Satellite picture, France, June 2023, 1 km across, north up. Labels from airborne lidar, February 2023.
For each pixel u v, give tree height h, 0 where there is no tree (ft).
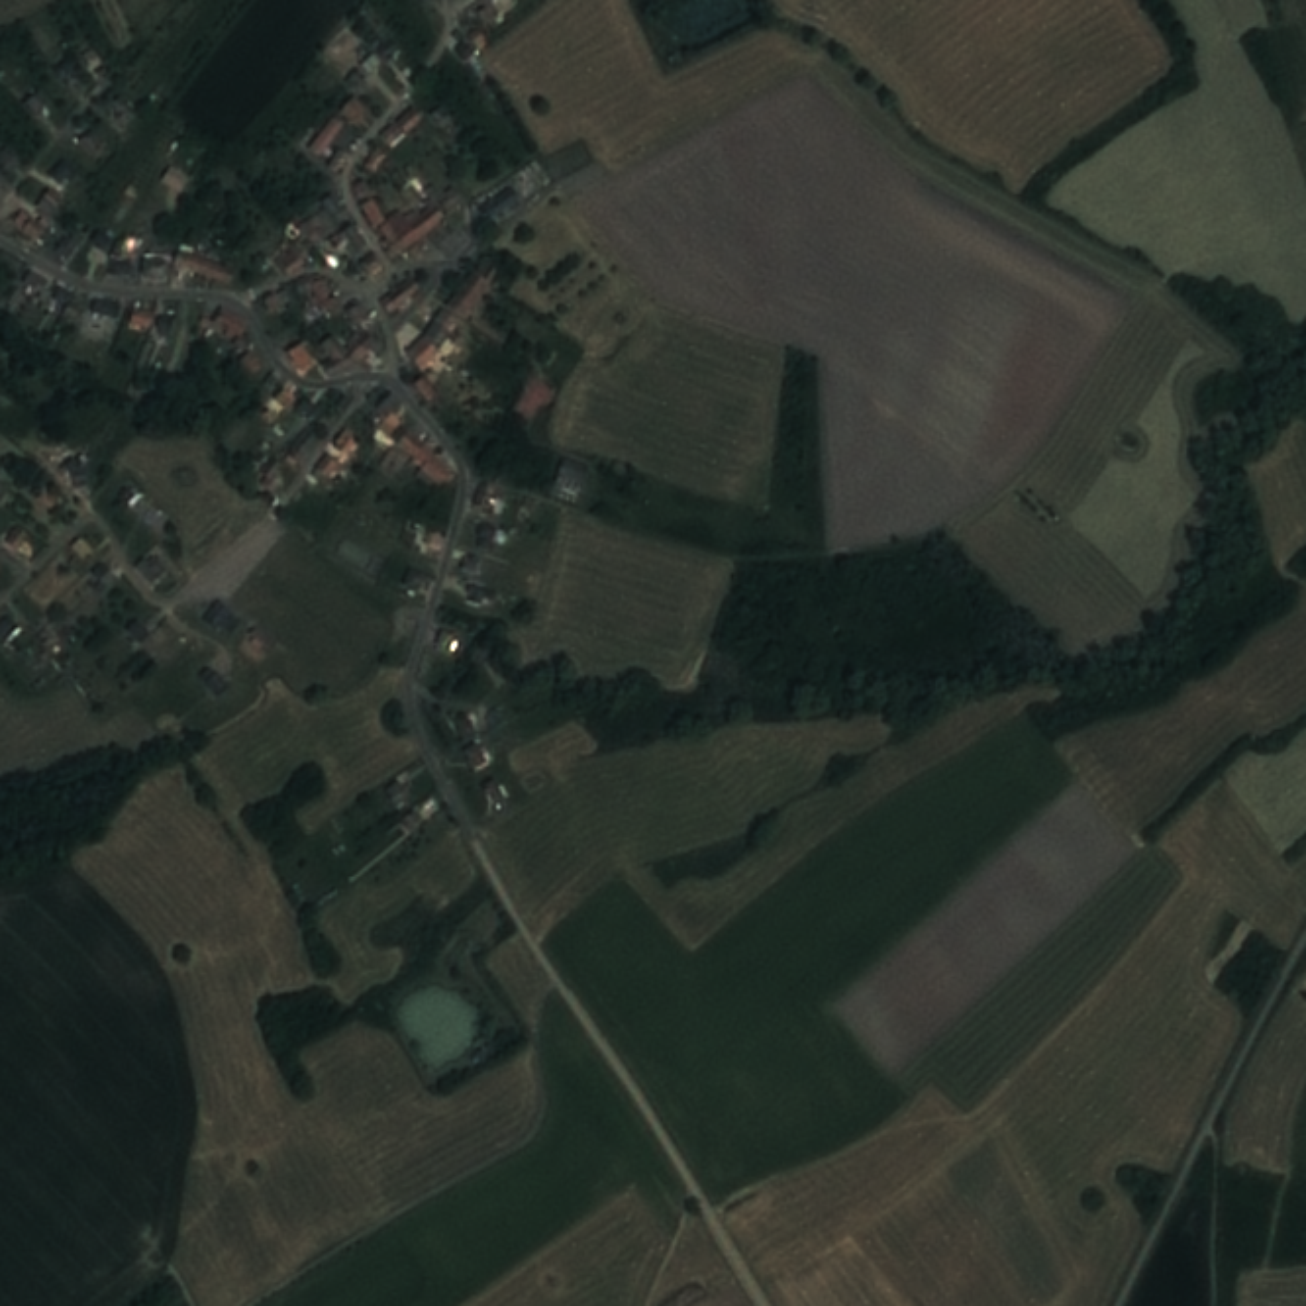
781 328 0
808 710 51
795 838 0
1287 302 0
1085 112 0
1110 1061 0
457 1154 0
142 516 0
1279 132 0
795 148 0
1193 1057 0
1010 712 0
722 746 0
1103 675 56
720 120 0
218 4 0
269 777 0
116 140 0
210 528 0
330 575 0
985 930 0
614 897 0
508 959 0
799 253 0
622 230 0
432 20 0
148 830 0
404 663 0
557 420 0
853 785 0
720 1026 0
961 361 0
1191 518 0
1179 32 45
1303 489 0
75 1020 0
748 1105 0
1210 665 43
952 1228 0
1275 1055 0
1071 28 0
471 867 0
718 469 0
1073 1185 0
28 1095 0
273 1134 0
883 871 0
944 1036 0
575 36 0
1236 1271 0
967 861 0
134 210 0
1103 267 0
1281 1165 0
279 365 0
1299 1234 0
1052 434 0
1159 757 0
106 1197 0
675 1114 0
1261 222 0
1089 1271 0
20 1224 0
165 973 0
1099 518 0
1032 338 0
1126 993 0
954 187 0
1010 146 0
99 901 0
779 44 0
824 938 0
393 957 0
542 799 0
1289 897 0
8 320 57
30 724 0
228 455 52
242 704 0
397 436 0
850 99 0
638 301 0
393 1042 0
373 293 0
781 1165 0
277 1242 0
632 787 0
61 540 0
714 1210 0
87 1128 0
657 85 0
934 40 0
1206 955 0
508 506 0
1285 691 0
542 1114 0
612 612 0
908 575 21
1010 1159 0
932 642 0
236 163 0
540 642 0
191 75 21
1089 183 0
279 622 0
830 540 0
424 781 0
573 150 0
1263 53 25
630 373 0
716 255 0
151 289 0
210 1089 0
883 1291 0
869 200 0
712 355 0
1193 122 0
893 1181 0
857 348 0
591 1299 0
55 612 32
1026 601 0
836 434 0
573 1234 0
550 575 0
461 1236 0
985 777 0
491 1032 35
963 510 0
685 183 0
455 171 40
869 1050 0
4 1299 0
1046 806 0
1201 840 0
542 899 0
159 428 60
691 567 0
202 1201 0
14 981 0
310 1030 24
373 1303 0
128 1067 0
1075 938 0
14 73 0
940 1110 0
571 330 0
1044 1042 0
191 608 0
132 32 21
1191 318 0
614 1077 0
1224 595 58
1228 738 0
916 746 0
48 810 77
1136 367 0
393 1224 0
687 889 0
